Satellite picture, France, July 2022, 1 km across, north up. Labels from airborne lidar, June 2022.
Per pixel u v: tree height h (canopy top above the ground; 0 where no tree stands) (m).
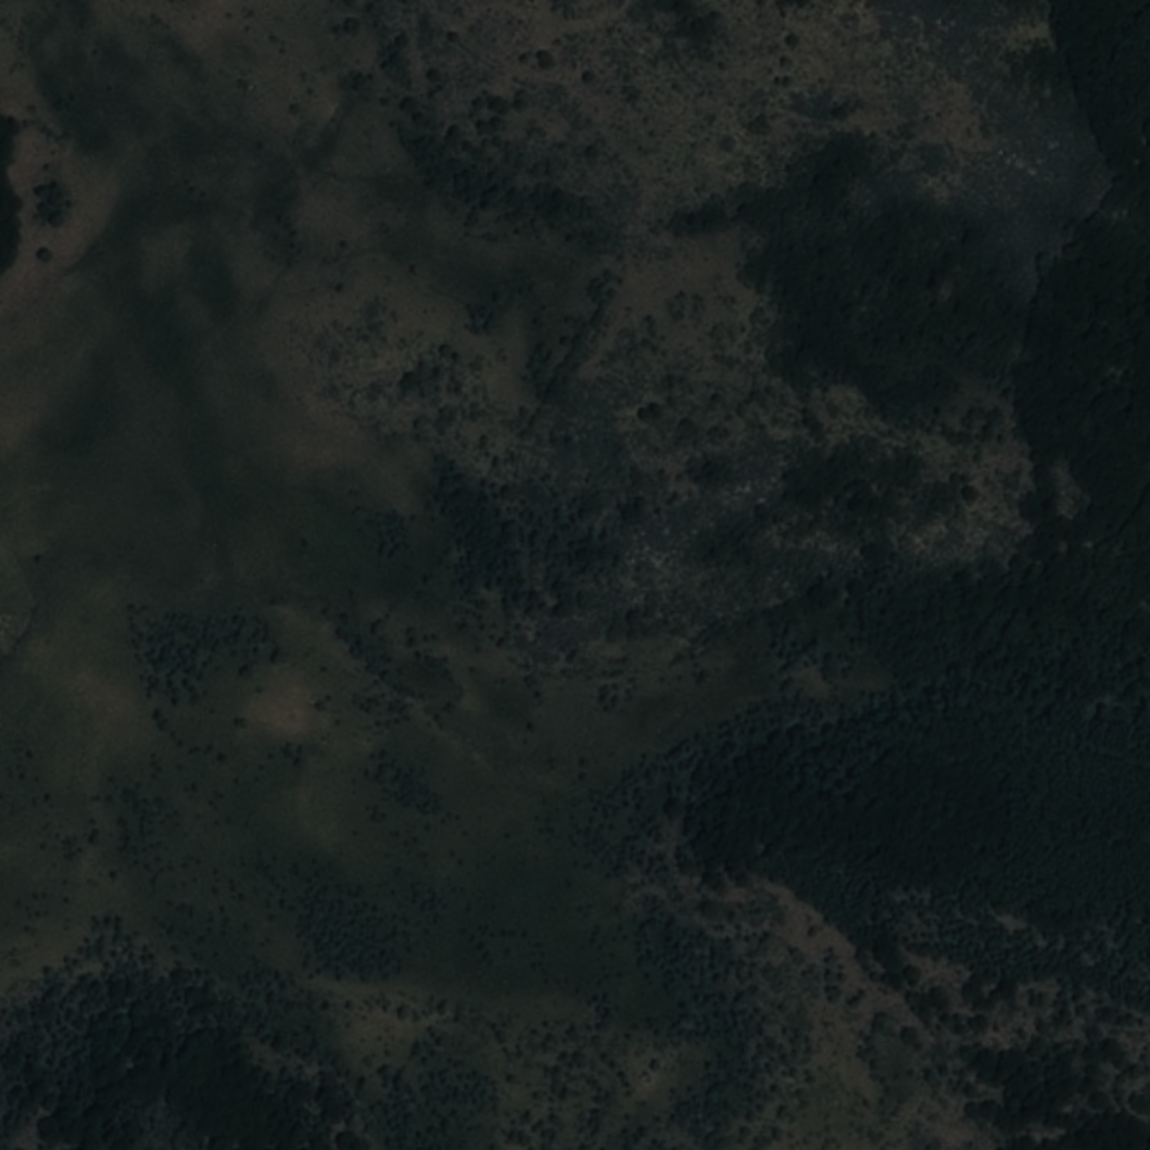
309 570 0
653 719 0
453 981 0
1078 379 15
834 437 0
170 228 0
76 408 0
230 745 0
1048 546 18
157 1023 16
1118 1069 7
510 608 6
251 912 0
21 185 0
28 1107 13
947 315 7
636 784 10
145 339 0
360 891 6
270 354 0
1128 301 13
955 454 0
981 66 0
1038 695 17
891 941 9
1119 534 11
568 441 9
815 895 12
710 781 14
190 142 0
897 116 0
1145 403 18
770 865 11
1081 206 0
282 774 0
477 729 0
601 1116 10
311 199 0
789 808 17
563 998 0
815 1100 0
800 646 9
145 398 0
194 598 0
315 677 0
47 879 0
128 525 0
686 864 13
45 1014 14
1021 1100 11
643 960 10
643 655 0
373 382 0
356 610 0
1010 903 11
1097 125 14
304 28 0
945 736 14
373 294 0
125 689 0
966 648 10
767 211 6
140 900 0
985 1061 13
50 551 0
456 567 6
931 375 7
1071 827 14
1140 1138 17
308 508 0
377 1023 0
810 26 0
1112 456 14
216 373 0
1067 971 14
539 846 0
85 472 0
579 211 6
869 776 14
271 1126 16
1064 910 12
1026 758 16
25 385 0
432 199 0
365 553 0
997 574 7
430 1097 8
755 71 0
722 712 0
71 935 0
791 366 6
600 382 0
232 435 0
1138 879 19
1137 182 16
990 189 0
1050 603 16
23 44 0
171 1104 12
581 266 0
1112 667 11
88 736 0
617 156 0
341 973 9
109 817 0
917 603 7
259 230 0
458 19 0
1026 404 15
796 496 12
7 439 0
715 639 6
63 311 0
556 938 0
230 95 0
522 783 0
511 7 0
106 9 0
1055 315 16
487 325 7
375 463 0
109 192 0
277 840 0
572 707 0
